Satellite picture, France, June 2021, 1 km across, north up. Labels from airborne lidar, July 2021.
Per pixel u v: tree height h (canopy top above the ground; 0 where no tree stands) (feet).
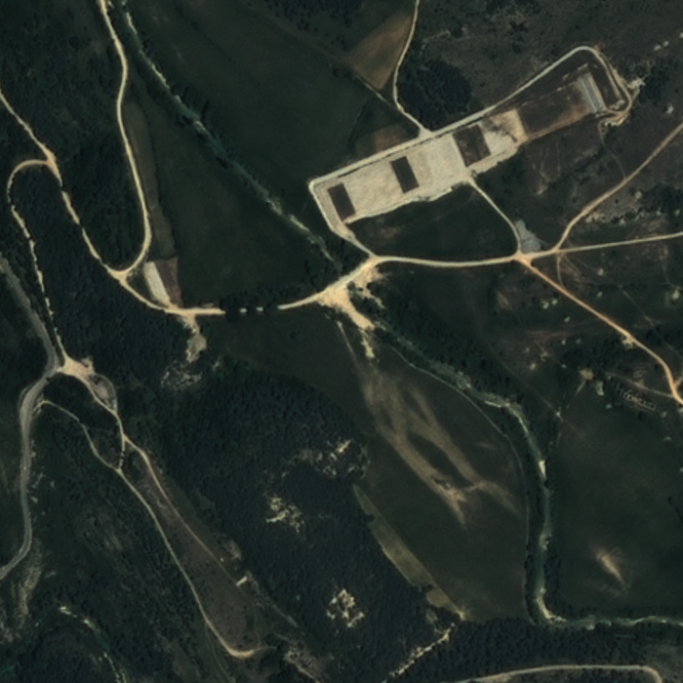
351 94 0
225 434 38
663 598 0
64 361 0
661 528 0
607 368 21
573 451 0
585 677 25
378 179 0
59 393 34
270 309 50
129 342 37
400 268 0
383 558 22
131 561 34
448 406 0
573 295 0
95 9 24
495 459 0
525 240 0
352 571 30
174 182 0
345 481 27
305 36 0
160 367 26
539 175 0
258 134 0
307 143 0
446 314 0
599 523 0
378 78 0
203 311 0
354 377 0
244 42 0
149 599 24
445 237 0
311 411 51
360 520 29
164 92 23
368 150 0
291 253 0
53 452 22
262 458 34
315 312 0
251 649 0
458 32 24
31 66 27
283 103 0
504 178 21
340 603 25
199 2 0
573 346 0
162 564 31
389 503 0
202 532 0
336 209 0
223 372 30
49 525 34
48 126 39
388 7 0
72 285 37
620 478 0
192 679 0
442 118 35
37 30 33
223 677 0
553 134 0
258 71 0
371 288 45
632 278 0
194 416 26
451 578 0
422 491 0
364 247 0
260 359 0
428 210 0
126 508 27
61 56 41
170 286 0
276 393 51
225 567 0
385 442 0
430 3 0
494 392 28
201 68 0
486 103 0
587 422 0
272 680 26
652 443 0
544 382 0
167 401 36
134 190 0
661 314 0
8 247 31
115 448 25
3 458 0
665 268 0
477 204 0
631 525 0
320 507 24
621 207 0
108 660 24
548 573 34
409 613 33
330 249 19
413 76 26
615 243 0
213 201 0
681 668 0
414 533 0
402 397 0
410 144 0
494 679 0
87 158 47
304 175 0
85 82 25
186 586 36
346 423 24
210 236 0
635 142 0
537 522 29
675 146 0
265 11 0
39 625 20
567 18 0
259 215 0
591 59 0
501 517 0
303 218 0
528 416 18
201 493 26
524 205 0
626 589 0
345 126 0
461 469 0
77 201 43
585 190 0
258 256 0
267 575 33
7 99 37
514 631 53
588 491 0
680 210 0
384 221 0
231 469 24
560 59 0
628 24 0
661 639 34
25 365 28
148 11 0
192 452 42
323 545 19
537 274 0
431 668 39
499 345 0
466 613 0
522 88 0
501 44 0
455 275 0
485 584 0
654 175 0
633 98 0
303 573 30
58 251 41
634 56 0
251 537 34
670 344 38
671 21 0
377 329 25
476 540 0
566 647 31
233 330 0
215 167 0
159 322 43
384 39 0
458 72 22
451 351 23
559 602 23
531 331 0
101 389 0
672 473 0
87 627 19
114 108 0
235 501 30
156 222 0
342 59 0
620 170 0
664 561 0
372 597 25
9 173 35
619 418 0
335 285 0
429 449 0
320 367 0
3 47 28
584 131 0
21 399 0
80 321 48
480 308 0
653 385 0
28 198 47
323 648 23
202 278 0
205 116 61
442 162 0
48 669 35
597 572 0
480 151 0
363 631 30
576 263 0
